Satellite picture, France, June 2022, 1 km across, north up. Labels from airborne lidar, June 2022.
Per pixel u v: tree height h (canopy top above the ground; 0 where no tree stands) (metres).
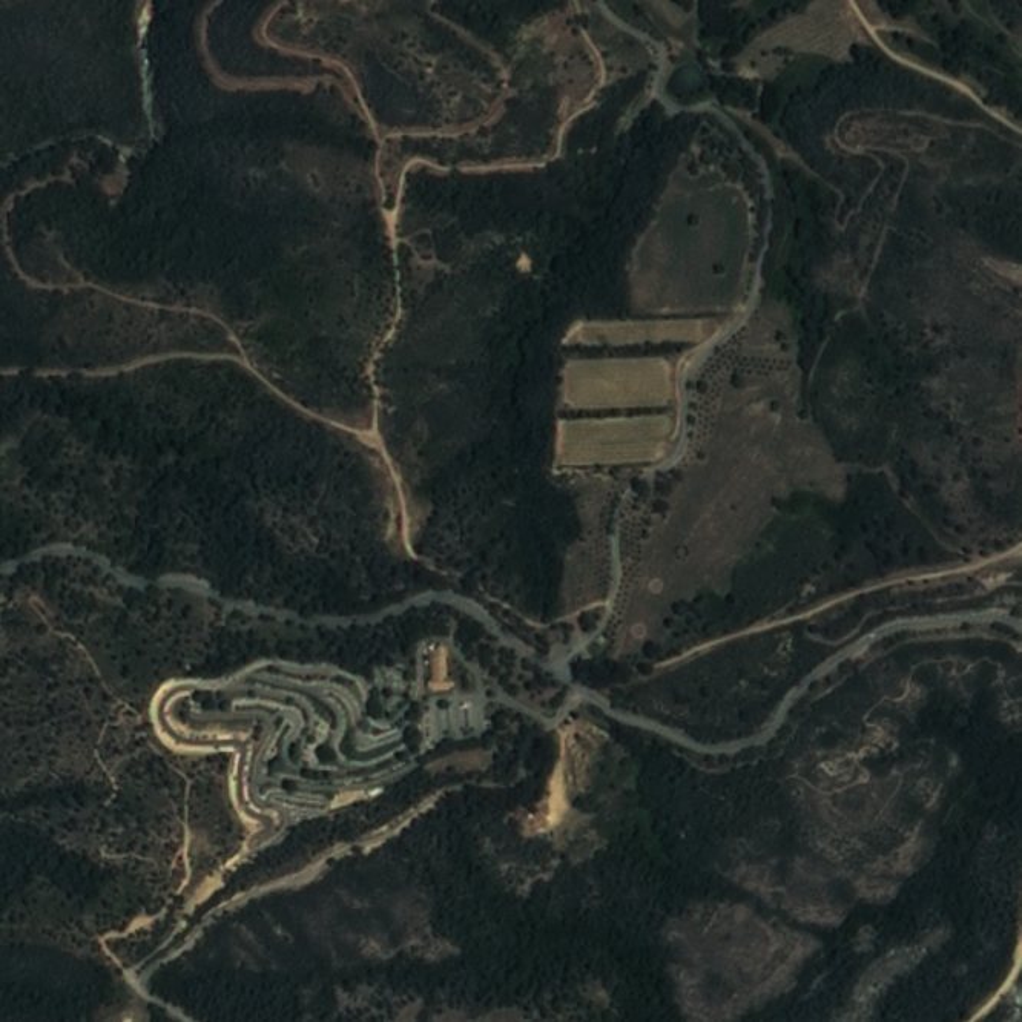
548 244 6
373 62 8
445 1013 8
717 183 0
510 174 12
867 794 0
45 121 9
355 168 0
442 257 6
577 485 0
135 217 13
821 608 0
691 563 0
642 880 8
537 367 10
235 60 8
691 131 8
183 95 6
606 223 10
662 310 0
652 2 0
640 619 0
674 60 11
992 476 16
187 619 13
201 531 15
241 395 6
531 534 6
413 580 18
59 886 9
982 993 8
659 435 0
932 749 7
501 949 7
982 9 0
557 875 8
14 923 9
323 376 7
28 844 11
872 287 6
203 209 6
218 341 0
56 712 11
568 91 0
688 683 0
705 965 0
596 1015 9
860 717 0
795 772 0
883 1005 10
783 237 8
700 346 0
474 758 0
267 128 9
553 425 6
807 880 0
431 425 7
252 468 10
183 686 0
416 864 8
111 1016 0
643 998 11
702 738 13
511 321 13
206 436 10
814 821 0
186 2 8
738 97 14
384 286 5
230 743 0
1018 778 8
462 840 9
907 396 12
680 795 7
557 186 7
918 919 13
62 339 8
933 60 0
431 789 8
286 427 11
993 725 11
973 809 9
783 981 0
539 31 0
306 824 8
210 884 0
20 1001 15
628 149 12
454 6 14
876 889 0
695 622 13
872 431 7
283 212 6
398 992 12
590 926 9
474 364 6
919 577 0
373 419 0
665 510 15
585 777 0
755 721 6
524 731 11
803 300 17
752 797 13
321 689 0
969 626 9
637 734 10
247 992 12
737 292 0
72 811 12
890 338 7
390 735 0
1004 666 0
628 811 7
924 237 6
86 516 11
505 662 7
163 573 10
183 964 7
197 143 11
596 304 9
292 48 0
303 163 0
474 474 7
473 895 6
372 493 7
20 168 12
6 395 8
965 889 8
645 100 0
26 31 8
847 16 0
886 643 10
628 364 0
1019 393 0
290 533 11
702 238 0
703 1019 0
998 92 11
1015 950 6
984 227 6
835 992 10
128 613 9
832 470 0
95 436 7
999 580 0
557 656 0
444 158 6
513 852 10
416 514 0
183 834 0
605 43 0
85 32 9
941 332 19
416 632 10
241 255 6
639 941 13
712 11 14
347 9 0
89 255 8
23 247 7
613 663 20
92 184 13
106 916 6
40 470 8
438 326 0
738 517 0
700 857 8
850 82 10
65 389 8
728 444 0
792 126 11
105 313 0
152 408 9
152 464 9
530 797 20
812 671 6
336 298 0
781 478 0
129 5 12
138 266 8
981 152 6
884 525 18
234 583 11
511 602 13
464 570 14
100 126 9
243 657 8
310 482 12
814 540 0
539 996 10
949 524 12
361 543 9
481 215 10
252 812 0
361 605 11
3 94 7
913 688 0
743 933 0
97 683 10
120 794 11
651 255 0
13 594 6
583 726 0
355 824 8
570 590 0
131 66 6
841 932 7
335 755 15
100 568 9
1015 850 10
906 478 11
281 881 0
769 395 0
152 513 9
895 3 28
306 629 9
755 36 13
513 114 6
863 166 6
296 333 0
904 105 7
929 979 10
